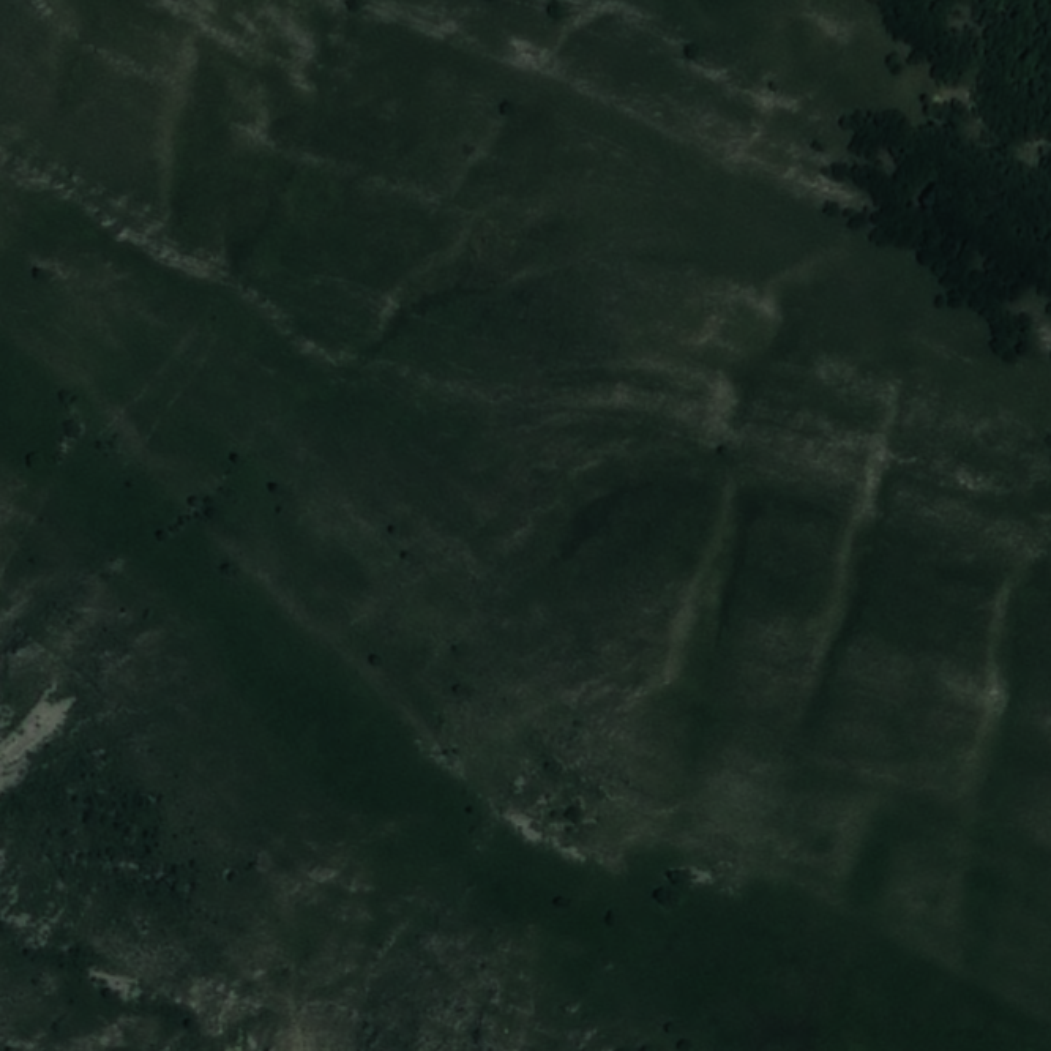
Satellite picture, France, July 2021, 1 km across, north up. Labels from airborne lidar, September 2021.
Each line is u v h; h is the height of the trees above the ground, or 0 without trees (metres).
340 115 0
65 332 0
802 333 0
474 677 0
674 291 0
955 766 0
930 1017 0
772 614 0
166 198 0
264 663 0
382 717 0
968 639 0
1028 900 0
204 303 0
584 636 0
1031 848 0
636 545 0
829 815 0
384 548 0
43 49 0
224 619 0
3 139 0
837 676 0
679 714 0
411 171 0
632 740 0
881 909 0
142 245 0
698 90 0
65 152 0
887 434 0
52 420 0
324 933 0
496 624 0
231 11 0
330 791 0
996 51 21
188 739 0
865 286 0
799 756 0
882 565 0
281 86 0
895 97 0
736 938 0
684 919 0
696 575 0
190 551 0
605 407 0
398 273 0
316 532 0
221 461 0
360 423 0
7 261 0
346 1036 0
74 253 0
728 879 0
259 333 0
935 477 0
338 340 0
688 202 0
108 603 0
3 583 0
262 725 0
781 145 0
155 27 0
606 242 0
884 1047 0
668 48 0
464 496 0
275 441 0
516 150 0
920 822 0
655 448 0
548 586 0
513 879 0
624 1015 0
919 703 0
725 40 0
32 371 0
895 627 0
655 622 0
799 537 0
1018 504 0
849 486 0
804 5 0
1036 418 0
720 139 0
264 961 0
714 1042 0
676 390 0
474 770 0
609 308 0
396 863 0
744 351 0
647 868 0
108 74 0
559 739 0
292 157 0
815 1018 0
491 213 0
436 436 0
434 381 0
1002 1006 0
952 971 0
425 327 0
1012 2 21
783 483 0
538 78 0
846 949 0
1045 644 0
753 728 0
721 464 0
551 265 0
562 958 0
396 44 0
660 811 0
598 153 0
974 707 0
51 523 0
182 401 0
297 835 0
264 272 0
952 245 9
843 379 0
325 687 0
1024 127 14
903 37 16
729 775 0
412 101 0
